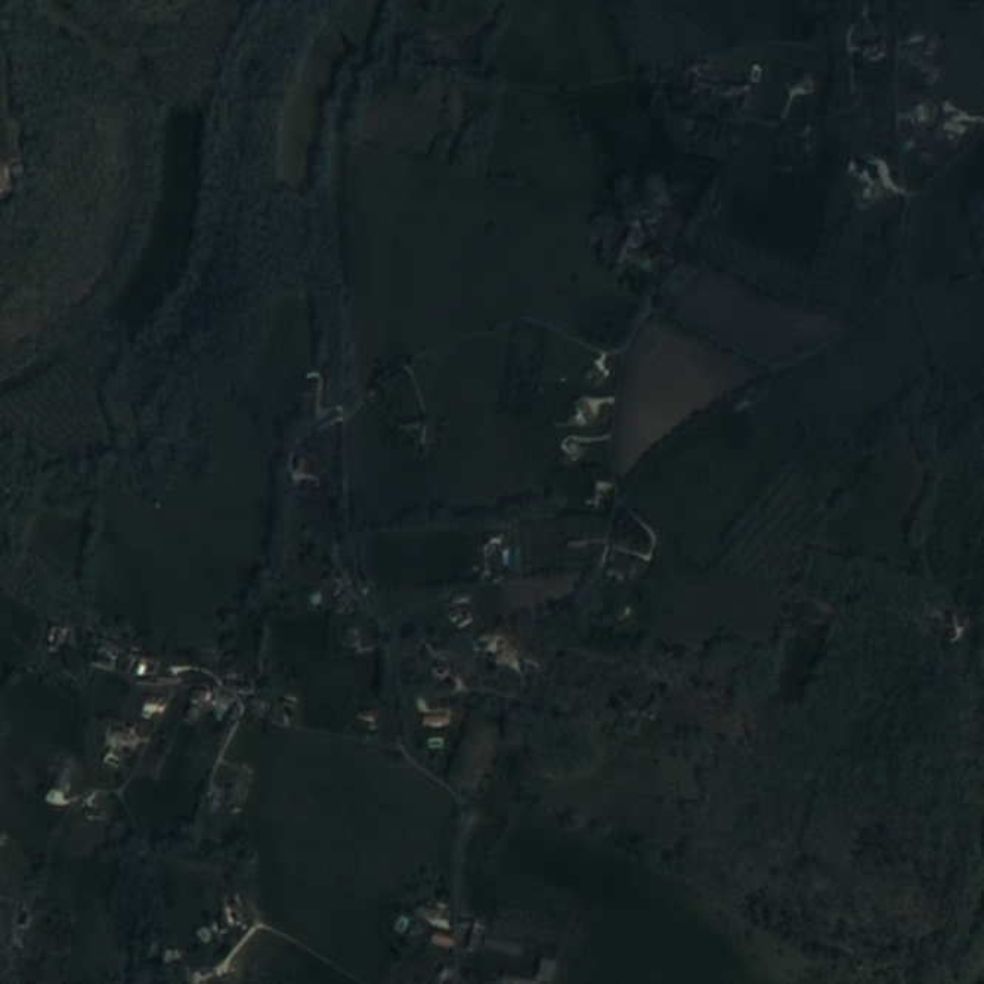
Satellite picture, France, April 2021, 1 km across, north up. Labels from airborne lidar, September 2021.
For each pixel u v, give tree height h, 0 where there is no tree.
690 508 0
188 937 0
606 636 7
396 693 21
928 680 18
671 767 0
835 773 20
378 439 0
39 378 17
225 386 21
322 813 0
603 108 0
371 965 0
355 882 0
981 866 19
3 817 0
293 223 23
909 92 0
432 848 0
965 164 0
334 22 0
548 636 23
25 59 24
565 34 0
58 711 0
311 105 0
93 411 12
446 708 9
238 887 19
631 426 0
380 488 0
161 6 13
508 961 0
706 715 6
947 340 0
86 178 17
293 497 15
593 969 0
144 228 23
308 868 0
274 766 0
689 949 0
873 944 14
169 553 0
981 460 20
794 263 7
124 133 10
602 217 12
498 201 0
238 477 0
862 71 22
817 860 14
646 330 0
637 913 0
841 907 15
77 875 0
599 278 0
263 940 0
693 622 0
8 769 0
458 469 0
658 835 0
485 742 0
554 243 0
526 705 13
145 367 14
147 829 0
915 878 16
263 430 0
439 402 0
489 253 0
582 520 6
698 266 11
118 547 0
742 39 0
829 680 20
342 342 16
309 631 0
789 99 0
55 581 19
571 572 9
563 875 0
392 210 0
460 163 20
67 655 14
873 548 0
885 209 0
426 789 0
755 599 0
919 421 16
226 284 19
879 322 0
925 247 0
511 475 0
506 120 0
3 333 18
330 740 0
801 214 0
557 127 0
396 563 0
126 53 10
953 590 6
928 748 24
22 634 0
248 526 0
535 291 0
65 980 8
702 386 0
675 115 11
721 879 16
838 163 0
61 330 21
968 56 0
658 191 29
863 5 24
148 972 10
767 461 0
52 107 23
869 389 0
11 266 21
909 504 0
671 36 11
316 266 24
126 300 0
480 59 9
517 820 0
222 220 14
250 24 18
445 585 12
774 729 19
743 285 11
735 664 18
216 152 23
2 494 21
